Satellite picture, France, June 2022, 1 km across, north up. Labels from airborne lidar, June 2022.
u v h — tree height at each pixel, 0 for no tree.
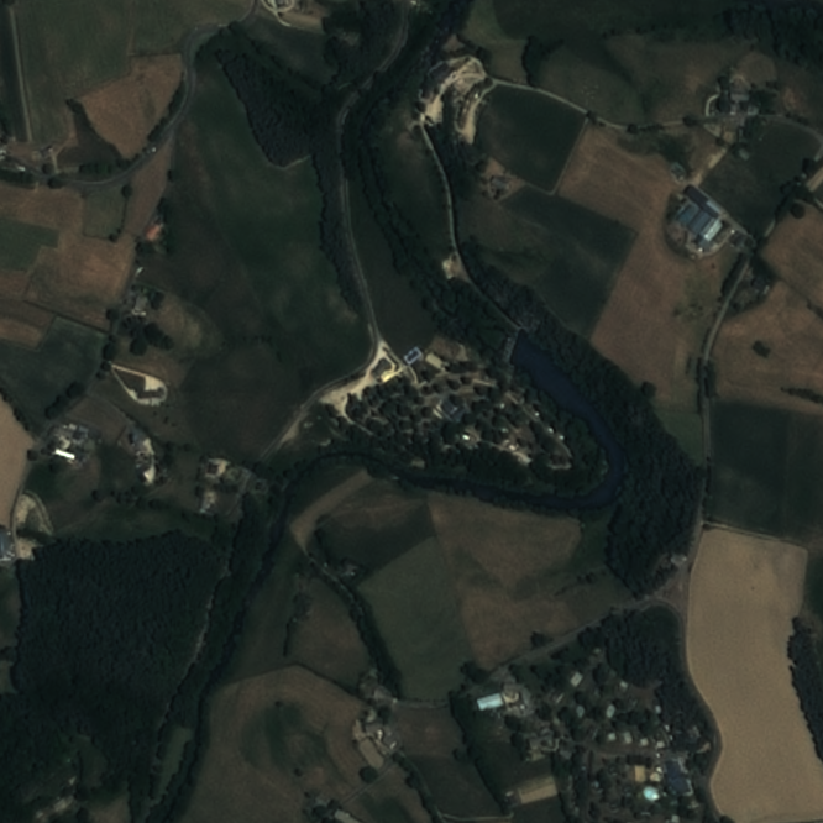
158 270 0
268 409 0
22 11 0
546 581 0
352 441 12
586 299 0
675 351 0
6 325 0
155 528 0
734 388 0
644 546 9
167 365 0
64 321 0
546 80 0
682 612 0
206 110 0
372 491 0
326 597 0
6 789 17
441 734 0
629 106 0
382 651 17
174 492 0
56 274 0
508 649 0
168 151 0
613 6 0
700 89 0
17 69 0
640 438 15
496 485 14
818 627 0
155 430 0
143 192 0
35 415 0
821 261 0
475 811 0
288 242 0
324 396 0
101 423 0
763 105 6
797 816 0
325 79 0
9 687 0
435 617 0
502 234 0
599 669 10
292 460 0
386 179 13
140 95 0
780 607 0
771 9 7
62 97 0
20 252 0
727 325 0
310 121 11
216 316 0
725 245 0
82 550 25
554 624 0
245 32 14
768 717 0
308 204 0
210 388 0
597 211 0
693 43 0
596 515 16
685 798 15
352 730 0
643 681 15
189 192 0
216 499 0
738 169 0
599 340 0
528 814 0
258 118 20
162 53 0
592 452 6
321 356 0
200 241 0
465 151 17
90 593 24
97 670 20
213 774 0
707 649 0
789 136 0
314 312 0
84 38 0
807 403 0
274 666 0
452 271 0
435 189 0
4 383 0
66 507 0
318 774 0
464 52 11
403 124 0
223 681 7
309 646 0
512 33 0
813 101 0
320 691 0
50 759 22
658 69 0
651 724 10
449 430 20
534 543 0
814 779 0
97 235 0
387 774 0
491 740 0
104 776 10
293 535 0
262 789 0
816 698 21
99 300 0
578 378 15
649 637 7
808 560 0
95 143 0
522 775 0
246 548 20
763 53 0
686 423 0
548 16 0
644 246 0
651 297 0
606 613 0
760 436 0
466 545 0
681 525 22
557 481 21
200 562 24
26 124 0
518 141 0
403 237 10
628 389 17
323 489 0
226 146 0
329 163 20
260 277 0
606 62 0
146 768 15
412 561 0
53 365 0
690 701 22
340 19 6
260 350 0
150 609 30
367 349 0
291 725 0
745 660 0
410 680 0
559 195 0
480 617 0
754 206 0
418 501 0
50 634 21
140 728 13
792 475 0
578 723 21
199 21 0
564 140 0
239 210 0
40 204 0
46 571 28
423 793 15
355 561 11
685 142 0
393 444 16
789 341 0
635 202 0
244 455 0
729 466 0
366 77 17
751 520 0
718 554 0
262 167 0
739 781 0
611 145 0
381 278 0
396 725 0
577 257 0
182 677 12
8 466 0
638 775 0
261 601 0
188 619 21
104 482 0
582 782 15
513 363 0
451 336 16
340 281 9
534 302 13
